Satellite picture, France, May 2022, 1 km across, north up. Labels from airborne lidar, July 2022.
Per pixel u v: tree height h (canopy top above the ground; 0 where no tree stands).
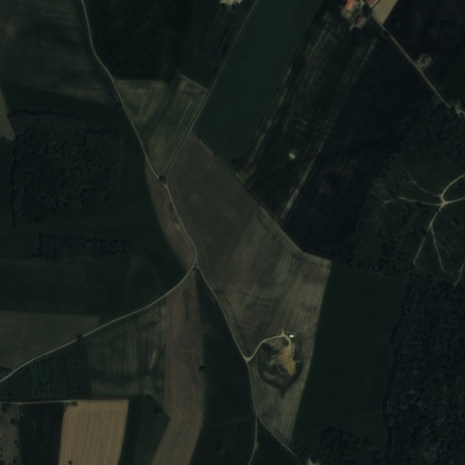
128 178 0
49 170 26
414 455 25
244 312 0
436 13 0
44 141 25
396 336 19
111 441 0
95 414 0
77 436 0
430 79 0
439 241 0
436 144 36
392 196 17
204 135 0
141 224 0
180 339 0
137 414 0
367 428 0
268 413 0
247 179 0
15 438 0
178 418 0
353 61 0
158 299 0
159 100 0
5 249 0
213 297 0
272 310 0
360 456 0
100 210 0
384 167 21
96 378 0
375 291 0
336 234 0
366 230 27
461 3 0
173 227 0
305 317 0
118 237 0
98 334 0
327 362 0
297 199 0
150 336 0
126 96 0
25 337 0
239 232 0
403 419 30
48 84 0
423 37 0
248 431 0
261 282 0
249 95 0
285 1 0
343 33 0
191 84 0
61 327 0
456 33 0
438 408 27
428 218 25
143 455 0
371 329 0
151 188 0
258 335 0
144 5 0
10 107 0
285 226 0
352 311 0
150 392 0
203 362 0
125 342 0
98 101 0
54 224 0
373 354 0
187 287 0
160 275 0
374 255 0
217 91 0
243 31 0
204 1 0
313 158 0
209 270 0
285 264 0
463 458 22
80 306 0
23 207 32
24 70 0
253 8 0
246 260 0
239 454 0
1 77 0
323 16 0
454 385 28
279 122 0
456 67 0
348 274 0
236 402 0
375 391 0
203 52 0
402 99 0
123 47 0
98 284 0
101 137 24
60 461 0
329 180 0
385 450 0
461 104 0
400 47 0
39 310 0
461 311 30
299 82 0
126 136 0
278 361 0
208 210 0
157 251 0
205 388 0
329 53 0
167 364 0
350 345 0
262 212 0
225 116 0
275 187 0
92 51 0
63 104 0
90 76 0
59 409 0
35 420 0
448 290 29
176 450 0
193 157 0
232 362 0
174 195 0
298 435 0
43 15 0
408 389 28
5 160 0
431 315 28
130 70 0
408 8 0
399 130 0
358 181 0
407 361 26
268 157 0
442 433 28
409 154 20
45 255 20
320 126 0
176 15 0
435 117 25
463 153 33
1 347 0
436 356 24
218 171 0
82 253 22
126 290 0
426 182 0
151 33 0
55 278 0
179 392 0
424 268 0
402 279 0
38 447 0
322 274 0
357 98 0
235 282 0
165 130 0
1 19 0
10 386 0
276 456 0
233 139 0
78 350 0
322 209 0
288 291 0
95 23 0
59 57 0
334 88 0
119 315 0
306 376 0
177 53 0
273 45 0
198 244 0
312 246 0
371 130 0
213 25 0
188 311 0
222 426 0
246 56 0
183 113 0
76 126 28
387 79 0
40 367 9
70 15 0
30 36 0
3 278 0
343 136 0
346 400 0
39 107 0
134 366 0
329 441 17
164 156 0
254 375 0
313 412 0
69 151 30
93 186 28
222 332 0
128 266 0
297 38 0
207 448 0
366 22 0
